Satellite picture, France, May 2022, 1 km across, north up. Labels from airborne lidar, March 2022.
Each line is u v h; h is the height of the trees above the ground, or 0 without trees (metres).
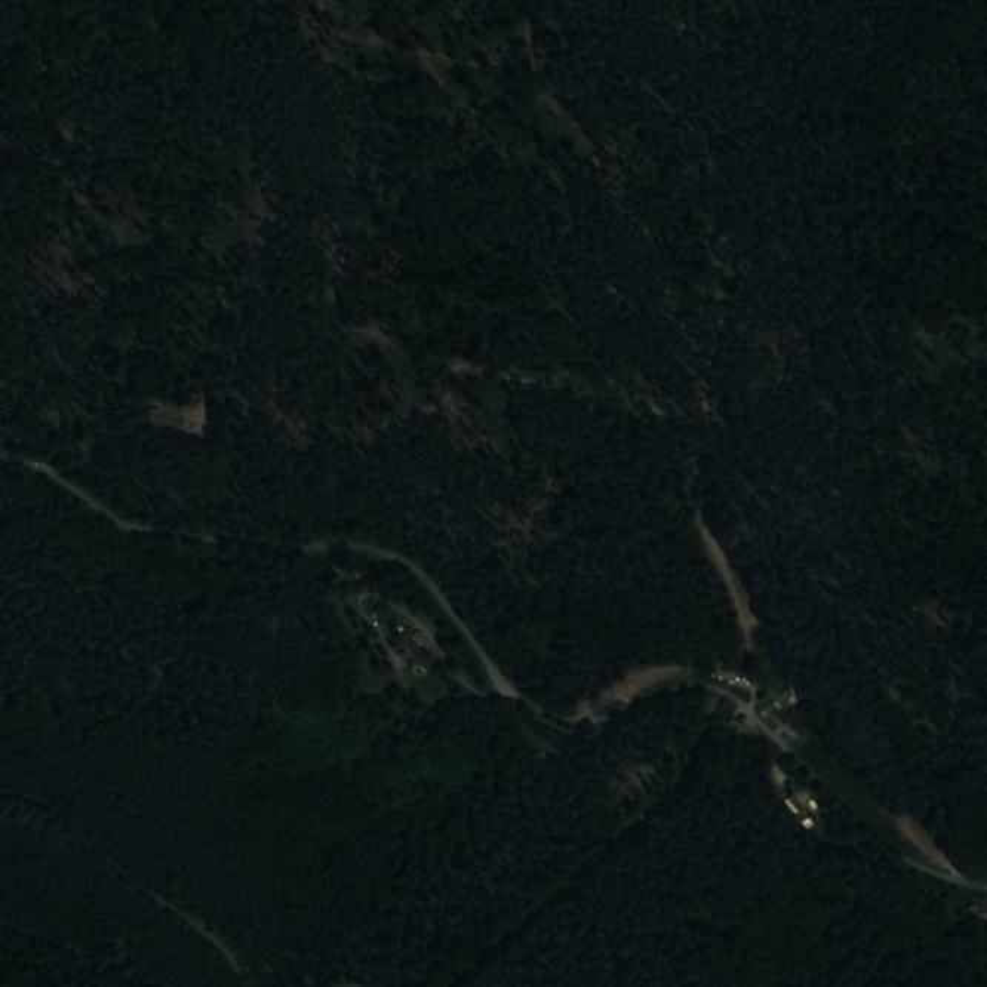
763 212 32
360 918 14
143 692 38
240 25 30
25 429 28
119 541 20
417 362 23
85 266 25
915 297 10
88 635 13
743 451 28
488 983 34
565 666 25
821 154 39
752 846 29
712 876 29
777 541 27
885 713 25
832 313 25
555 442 33
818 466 30
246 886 20
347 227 24
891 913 31
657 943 28
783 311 26
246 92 31
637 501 29
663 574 30
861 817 0
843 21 27
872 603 30
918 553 12
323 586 21
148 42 31
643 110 32
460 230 32
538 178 33
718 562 0
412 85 30
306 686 16
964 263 25
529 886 25
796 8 28
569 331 30
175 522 26
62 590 39
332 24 25
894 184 22
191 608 29
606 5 26
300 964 16
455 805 16
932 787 32
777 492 28
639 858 36
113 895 24
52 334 25
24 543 19
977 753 19
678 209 36
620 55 33
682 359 37
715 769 26
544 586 31
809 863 27
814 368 24
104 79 39
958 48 32
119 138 34
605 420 37
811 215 31
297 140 19
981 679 19
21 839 24
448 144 38
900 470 27
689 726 14
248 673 21
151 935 15
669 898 26
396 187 20
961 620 28
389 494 25
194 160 27
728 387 35
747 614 0
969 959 28
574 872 10
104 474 30
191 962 14
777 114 28
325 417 31
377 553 0
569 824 29
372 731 20
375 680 0
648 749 29
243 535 28
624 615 24
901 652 33
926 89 41
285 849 17
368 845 18
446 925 31
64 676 37
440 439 22
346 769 15
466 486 24
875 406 34
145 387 21
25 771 16
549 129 0
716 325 30
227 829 18
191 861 18
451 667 16
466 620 23
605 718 0
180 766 20
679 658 24
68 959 29
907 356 30
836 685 27
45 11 23
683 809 33
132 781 20
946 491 8
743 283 32
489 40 0
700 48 32
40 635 33
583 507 28
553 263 35
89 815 23
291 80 20
